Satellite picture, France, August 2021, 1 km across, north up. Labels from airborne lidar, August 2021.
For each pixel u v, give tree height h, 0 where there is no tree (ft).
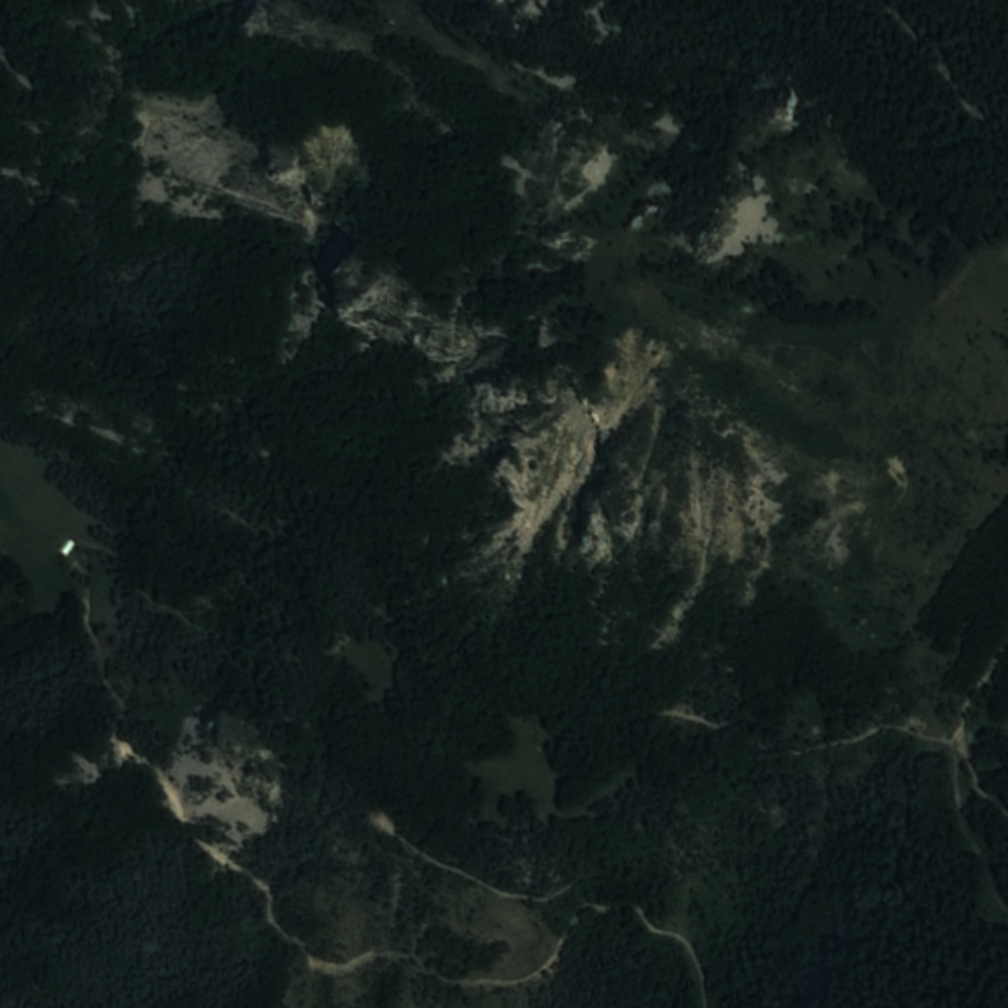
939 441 0
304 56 65
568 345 27
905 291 0
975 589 75
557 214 0
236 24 22
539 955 0
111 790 47
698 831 48
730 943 34
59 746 63
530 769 0
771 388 0
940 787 41
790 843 24
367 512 64
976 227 60
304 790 19
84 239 29
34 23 45
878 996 102
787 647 56
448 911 42
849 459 0
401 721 53
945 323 0
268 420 60
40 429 51
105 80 39
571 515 22
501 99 38
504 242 38
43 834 45
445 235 52
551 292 54
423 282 28
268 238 26
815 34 36
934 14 59
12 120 35
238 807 0
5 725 54
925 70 62
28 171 31
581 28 27
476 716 48
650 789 35
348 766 45
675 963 23
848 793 75
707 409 0
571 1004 46
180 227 40
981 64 61
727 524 0
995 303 0
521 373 50
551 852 40
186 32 49
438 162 75
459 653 43
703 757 63
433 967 52
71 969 34
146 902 36
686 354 0
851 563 0
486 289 72
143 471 52
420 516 60
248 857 24
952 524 28
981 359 0
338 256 29
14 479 0
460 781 61
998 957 47
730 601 24
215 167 0
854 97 59
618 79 42
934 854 65
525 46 27
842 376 0
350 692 30
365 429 38
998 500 34
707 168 54
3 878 31
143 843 45
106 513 40
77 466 26
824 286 0
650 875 25
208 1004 43
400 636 45
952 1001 59
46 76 41
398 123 46
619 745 56
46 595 0
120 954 28
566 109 19
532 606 39
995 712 54
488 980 0
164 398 32
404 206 46
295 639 40
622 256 0
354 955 0
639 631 28
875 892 102
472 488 36
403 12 0
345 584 22
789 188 0
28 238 59
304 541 63
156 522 69
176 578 52
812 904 77
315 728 27
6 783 51
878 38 49
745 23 44
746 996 43
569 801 68
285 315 42
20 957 38
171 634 32
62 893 57
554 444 0
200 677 37
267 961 38
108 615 0
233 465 37
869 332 0
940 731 0
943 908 73
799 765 41
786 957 49
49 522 0
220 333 62
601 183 0
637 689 56
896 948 89
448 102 45
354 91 54
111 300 21
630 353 0
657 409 0
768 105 22
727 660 33
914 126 67
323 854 28
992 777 45
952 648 47
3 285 49
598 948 45
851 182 0
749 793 27
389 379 57
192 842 43
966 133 63
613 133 0
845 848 64
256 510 35
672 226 20
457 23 25
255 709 42
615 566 27
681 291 0
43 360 29
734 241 0
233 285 61
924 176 64
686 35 32
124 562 39
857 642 0
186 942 35
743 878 44
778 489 0
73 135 32
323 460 54
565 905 21
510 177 36
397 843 24
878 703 29
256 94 46
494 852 37
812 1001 42
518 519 0
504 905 0
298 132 29
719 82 27
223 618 42
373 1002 17
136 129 32
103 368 31
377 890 41
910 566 0
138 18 30
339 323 43
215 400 35
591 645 35
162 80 41
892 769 89
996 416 0
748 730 31
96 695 46
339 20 25
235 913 31
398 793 41
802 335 0
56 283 49
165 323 48
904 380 0
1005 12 59
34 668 40
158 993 32
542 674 57
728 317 0
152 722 21
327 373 34
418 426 57
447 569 41
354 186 20
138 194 29
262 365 46
